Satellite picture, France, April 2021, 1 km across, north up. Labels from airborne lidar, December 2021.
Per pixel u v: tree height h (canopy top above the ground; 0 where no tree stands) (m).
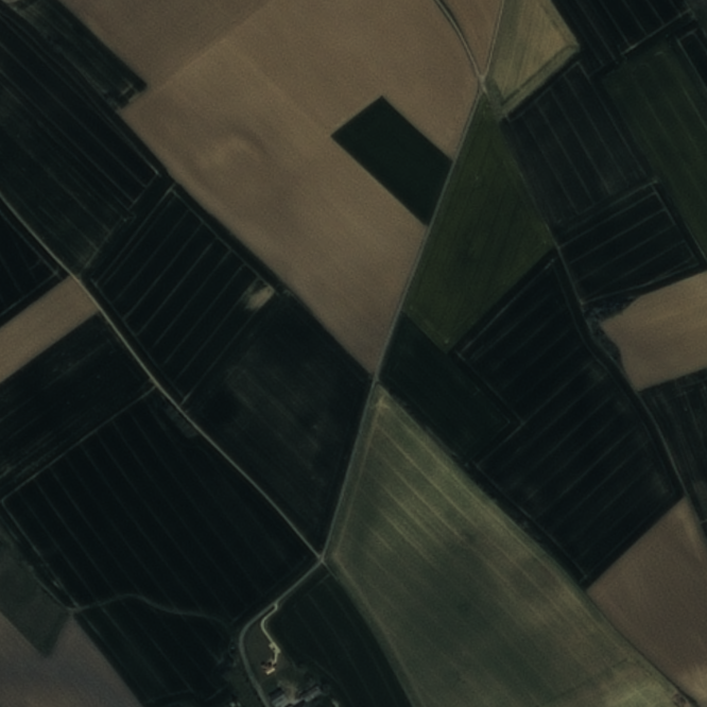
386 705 0
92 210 0
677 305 0
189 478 0
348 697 0
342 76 0
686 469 0
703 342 0
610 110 0
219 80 0
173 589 0
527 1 0
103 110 0
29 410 0
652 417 0
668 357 0
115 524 0
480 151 0
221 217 0
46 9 0
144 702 0
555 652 0
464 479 0
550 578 0
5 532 0
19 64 0
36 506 0
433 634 0
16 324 0
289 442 0
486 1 0
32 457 0
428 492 0
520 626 0
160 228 0
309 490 0
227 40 0
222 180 0
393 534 0
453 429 0
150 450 0
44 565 0
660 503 0
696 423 0
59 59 0
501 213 0
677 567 0
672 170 0
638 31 0
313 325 0
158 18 0
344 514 0
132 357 0
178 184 0
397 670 0
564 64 0
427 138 0
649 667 0
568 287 0
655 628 0
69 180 0
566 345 0
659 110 0
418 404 0
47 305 0
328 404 0
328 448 0
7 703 0
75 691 0
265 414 0
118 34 0
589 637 0
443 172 0
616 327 0
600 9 0
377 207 0
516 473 0
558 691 0
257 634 0
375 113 0
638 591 0
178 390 0
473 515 0
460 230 0
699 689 0
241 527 0
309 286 0
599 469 0
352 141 0
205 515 0
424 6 0
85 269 0
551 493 0
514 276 0
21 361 0
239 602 0
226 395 0
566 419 0
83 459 0
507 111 0
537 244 0
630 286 0
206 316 0
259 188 0
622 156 0
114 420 0
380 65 0
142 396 0
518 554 0
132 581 0
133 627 0
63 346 0
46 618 0
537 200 0
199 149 0
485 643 0
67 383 0
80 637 0
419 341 0
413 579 0
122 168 0
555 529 0
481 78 0
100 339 0
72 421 0
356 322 0
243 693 0
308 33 0
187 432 16
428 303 0
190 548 0
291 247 0
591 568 0
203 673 0
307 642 0
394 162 0
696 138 0
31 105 0
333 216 0
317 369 0
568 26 0
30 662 0
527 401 0
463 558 0
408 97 0
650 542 0
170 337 0
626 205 0
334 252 0
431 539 0
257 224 0
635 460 0
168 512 0
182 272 0
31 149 0
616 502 0
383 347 0
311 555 0
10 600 0
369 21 0
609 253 0
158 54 0
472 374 0
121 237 0
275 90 0
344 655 0
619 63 0
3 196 0
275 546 0
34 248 0
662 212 0
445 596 0
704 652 0
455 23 0
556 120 0
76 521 0
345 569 0
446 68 0
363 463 0
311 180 0
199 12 0
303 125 0
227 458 0
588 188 0
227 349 0
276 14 0
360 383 0
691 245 0
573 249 0
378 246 0
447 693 0
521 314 0
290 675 0
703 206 0
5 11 0
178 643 0
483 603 0
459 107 0
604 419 0
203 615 0
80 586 0
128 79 0
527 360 0
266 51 0
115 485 0
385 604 0
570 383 0
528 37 0
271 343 0
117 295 0
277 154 0
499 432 0
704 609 0
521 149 0
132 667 0
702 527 0
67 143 0
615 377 0
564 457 0
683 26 0
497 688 0
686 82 0
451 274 0
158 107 0
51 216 0
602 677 0
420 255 0
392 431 0
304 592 0
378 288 0
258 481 0
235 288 0
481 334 0
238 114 0
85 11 0
